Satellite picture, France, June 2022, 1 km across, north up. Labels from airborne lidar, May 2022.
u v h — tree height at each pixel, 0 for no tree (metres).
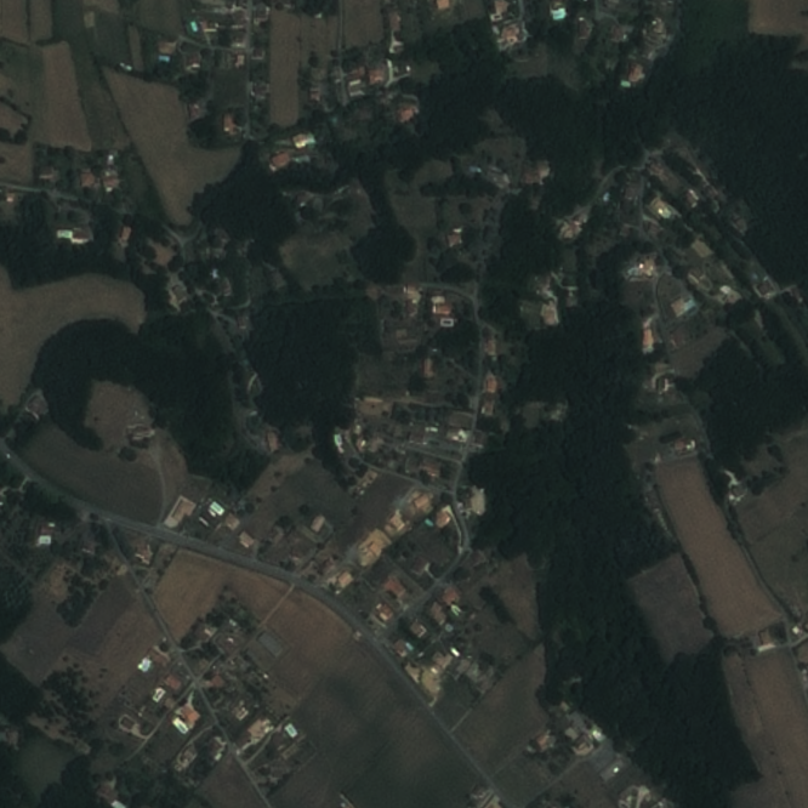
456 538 6
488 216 12
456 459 0
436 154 18
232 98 0
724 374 18
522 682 0
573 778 0
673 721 22
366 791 0
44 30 0
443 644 0
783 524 0
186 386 17
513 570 0
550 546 17
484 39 6
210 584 0
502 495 16
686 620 0
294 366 19
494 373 14
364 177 17
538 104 15
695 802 15
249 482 11
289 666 0
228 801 0
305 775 0
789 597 0
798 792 0
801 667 6
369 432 6
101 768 0
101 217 9
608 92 12
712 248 11
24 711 16
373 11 0
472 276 16
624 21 13
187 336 18
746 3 5
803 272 17
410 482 0
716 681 12
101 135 0
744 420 18
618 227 11
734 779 17
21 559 7
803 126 15
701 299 12
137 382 12
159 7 0
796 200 16
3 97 11
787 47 12
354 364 9
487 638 0
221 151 0
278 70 0
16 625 7
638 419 19
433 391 0
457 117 24
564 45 6
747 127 12
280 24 0
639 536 17
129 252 13
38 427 12
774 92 15
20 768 0
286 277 11
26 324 0
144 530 0
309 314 14
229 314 10
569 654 18
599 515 23
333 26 0
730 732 14
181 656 0
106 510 0
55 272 14
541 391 21
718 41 9
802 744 0
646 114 16
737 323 19
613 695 15
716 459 14
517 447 11
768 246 16
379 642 0
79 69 0
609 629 20
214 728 7
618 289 17
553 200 17
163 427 11
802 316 7
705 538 0
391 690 0
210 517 0
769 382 19
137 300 0
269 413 19
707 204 11
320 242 0
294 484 0
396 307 6
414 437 0
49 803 22
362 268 15
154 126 0
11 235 14
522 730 0
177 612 0
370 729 0
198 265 13
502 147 0
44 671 0
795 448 0
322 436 12
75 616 9
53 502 19
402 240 21
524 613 0
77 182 16
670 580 0
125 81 0
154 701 0
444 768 0
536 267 14
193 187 0
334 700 0
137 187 0
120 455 8
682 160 9
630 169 7
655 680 10
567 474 20
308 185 15
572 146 18
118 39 0
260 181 23
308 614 0
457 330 10
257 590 0
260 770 7
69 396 16
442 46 8
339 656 0
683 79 12
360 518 0
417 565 0
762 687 0
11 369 0
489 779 0
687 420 0
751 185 14
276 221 20
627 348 18
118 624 0
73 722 6
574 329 21
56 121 0
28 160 0
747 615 0
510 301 21
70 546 13
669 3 0
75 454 0
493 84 15
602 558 21
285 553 0
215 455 8
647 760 16
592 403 12
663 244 6
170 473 0
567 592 14
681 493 0
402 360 6
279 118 0
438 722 0
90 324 18
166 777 7
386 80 0
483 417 7
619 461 17
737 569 0
